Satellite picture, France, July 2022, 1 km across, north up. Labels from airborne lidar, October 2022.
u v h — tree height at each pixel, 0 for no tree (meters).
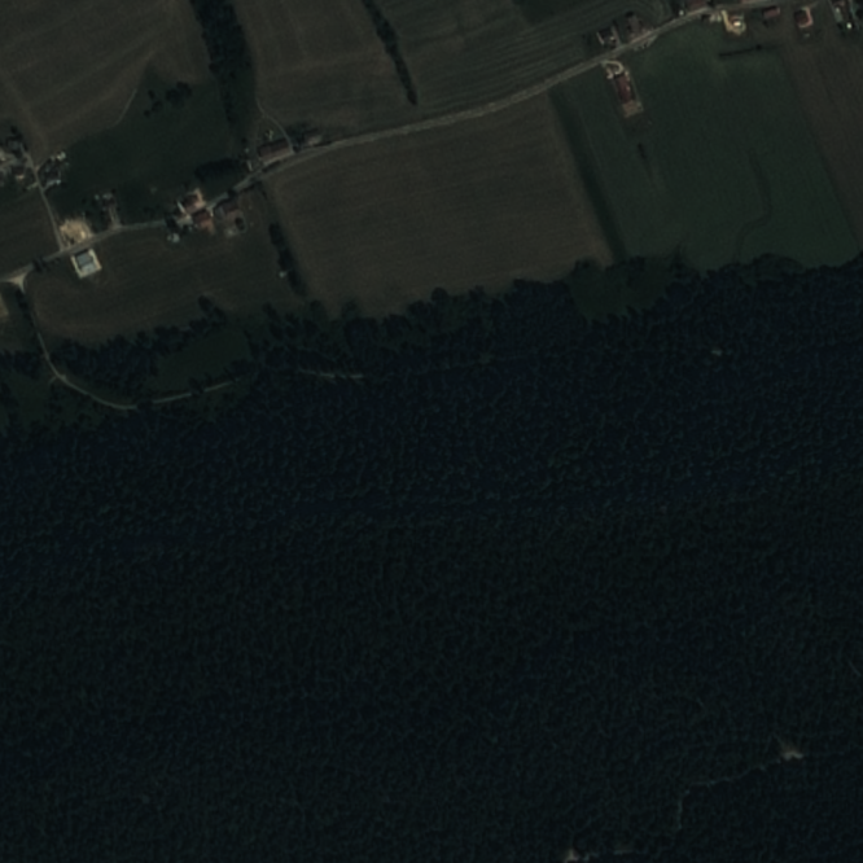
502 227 0
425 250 0
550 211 0
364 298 0
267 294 0
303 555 27
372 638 23
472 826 20
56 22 0
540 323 23
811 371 32
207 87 0
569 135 0
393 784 20
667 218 0
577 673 14
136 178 0
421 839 17
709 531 20
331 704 24
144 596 18
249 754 16
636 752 12
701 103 0
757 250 0
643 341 17
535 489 27
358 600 19
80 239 0
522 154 0
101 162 0
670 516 11
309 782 19
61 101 0
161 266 0
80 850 17
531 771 18
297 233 0
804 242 0
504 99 0
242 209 0
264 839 17
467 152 0
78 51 0
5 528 31
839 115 0
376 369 25
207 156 0
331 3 0
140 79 0
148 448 35
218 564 26
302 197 0
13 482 36
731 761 11
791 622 15
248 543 21
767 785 14
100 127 0
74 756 28
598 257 0
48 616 14
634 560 15
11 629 12
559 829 18
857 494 15
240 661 22
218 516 26
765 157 0
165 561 24
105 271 0
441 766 20
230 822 16
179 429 21
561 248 0
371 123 0
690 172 0
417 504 29
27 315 13
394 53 17
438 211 0
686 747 13
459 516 12
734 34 0
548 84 0
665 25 0
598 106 0
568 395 35
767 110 0
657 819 14
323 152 0
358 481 23
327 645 17
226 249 0
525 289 22
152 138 0
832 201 0
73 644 11
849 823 22
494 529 16
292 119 0
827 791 19
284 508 16
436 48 0
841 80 0
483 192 0
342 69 0
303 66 0
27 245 0
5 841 16
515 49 0
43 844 17
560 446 26
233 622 22
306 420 28
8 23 0
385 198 0
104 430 7
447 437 26
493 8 0
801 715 17
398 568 19
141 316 0
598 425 36
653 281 0
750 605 17
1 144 6
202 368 0
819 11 0
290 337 18
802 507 15
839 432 38
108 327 0
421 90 0
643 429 20
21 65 0
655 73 0
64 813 21
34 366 28
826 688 13
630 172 0
